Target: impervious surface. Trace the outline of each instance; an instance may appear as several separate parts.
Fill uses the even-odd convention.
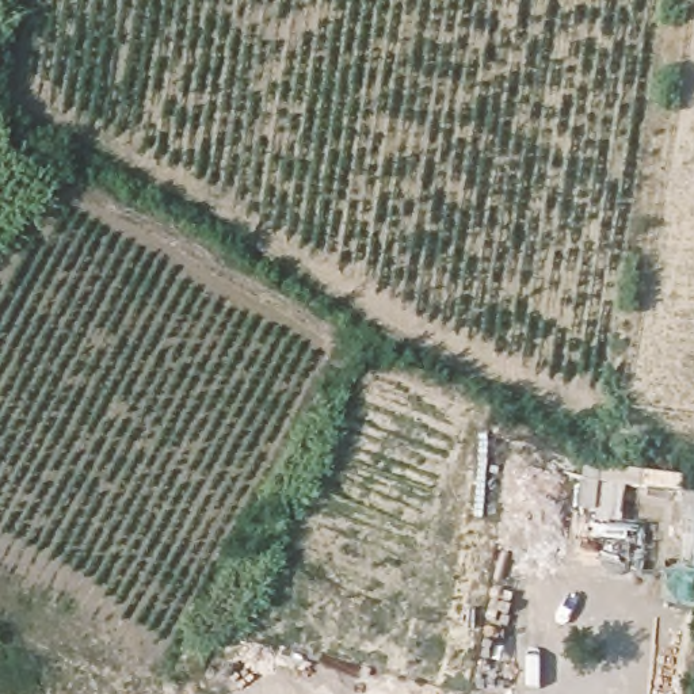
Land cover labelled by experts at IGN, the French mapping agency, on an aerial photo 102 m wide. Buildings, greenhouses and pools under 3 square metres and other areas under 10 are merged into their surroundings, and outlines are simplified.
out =
[[[548,474],[545,469],[529,469],[523,455],[510,455],[504,464],[504,512],[499,521],[499,558],[507,558],[507,553],[512,553],[515,558],[512,575],[518,577],[518,588],[526,596],[526,607],[521,610],[518,624],[523,629],[545,634],[545,648],[539,651],[539,659],[523,656],[523,678],[515,686],[504,689],[504,694],[694,694],[694,491],[683,488],[678,472],[642,466],[586,466],[577,483],[558,483],[558,474]],[[599,661],[591,670],[577,670],[567,656],[567,637],[572,629],[596,632],[605,624],[626,624],[632,640],[640,645],[640,653],[632,661]]]
[[[369,675],[369,670],[363,667],[358,675],[344,675],[323,664],[314,675],[306,675],[306,661],[298,653],[290,653],[279,653],[255,642],[228,645],[225,656],[217,659],[217,672],[206,672],[201,680],[176,686],[176,694],[436,694],[436,689],[431,686],[399,683],[388,675]]]

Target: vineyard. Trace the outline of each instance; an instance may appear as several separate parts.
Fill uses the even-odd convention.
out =
[[[222,537],[233,534],[230,523],[236,512],[244,512],[247,504],[260,504],[263,499],[268,499],[277,474],[282,474],[285,469],[285,461],[301,447],[304,431],[287,415],[301,415],[304,404],[312,399],[312,390],[323,382],[328,366],[347,366],[342,358],[333,355],[331,323],[314,317],[295,298],[277,293],[295,268],[314,277],[333,295],[350,295],[358,309],[366,312],[366,317],[385,325],[396,339],[415,336],[420,344],[428,347],[439,344],[450,355],[483,366],[491,380],[529,382],[548,401],[561,399],[567,409],[575,412],[575,420],[580,426],[594,431],[588,445],[572,458],[575,464],[586,466],[642,466],[640,450],[645,445],[648,428],[626,423],[626,404],[637,399],[637,393],[632,390],[629,366],[637,361],[640,352],[637,342],[642,339],[645,309],[656,306],[661,282],[656,271],[656,228],[664,228],[664,217],[645,217],[640,206],[632,201],[632,195],[640,192],[645,184],[645,174],[637,168],[640,130],[645,108],[664,106],[680,111],[691,106],[694,98],[694,62],[664,65],[653,57],[653,35],[659,27],[667,24],[661,14],[664,0],[0,0],[0,103],[5,106],[3,122],[8,127],[11,149],[16,155],[33,157],[38,165],[52,165],[54,179],[60,184],[52,201],[43,206],[43,211],[30,211],[24,228],[16,230],[8,247],[0,252],[0,531],[19,537],[24,545],[46,550],[52,553],[52,558],[60,558],[70,569],[92,577],[98,586],[103,586],[106,596],[122,605],[125,618],[163,637],[174,632],[187,602],[209,599],[211,583],[217,577],[214,550],[220,548]]]
[[[312,626],[320,634],[325,651],[331,651],[331,645],[363,648],[363,642],[382,634],[399,648],[407,648],[409,664],[420,664],[426,659],[420,651],[415,651],[415,637],[445,640],[450,634],[445,618],[455,594],[453,588],[466,575],[466,569],[458,564],[458,553],[474,550],[477,545],[466,542],[474,537],[474,529],[455,529],[450,542],[436,537],[439,502],[434,502],[434,485],[428,485],[428,480],[439,477],[439,488],[445,488],[450,474],[455,472],[461,447],[453,447],[447,453],[445,442],[453,442],[453,434],[466,434],[469,423],[464,407],[469,401],[453,385],[439,388],[434,382],[420,380],[415,371],[371,371],[366,374],[363,385],[350,382],[347,401],[342,409],[342,426],[331,447],[331,466],[325,474],[320,474],[320,491],[328,493],[331,502],[320,515],[309,518],[309,534],[304,539],[304,558],[320,564],[325,569],[325,577],[314,583],[295,575],[287,602],[282,607],[274,607],[268,615],[268,626],[274,629],[274,634],[282,634],[290,626],[301,626]]]

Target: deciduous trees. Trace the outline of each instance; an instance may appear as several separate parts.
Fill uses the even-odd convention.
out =
[[[640,450],[642,466],[678,472],[683,488],[694,491],[694,434],[675,434],[664,428],[656,415],[637,407],[637,399],[626,404],[626,423],[648,428],[645,445]]]
[[[442,661],[445,640],[415,637],[415,651],[420,651],[426,659]]]
[[[54,179],[52,165],[38,165],[33,157],[16,155],[11,149],[8,127],[3,122],[5,106],[0,103],[0,252],[8,247],[16,230],[24,228],[30,211],[43,211],[43,206],[52,201],[60,184]]]
[[[567,637],[567,656],[577,670],[591,670],[599,661],[596,632],[572,629]]]
[[[295,268],[277,293],[295,298],[314,317],[331,323],[333,355],[342,358],[347,366],[328,366],[323,382],[312,390],[312,399],[304,404],[301,415],[287,415],[304,431],[301,447],[285,461],[285,469],[282,474],[277,474],[268,499],[263,499],[260,504],[247,504],[244,512],[236,512],[230,523],[233,534],[222,537],[220,548],[214,550],[217,577],[211,583],[209,599],[187,602],[174,632],[163,637],[168,651],[160,661],[152,664],[152,672],[163,675],[168,683],[176,686],[201,680],[206,672],[217,672],[217,659],[225,656],[228,645],[255,642],[279,653],[290,653],[290,648],[301,640],[301,626],[290,626],[282,634],[274,634],[274,629],[268,626],[268,615],[274,607],[282,607],[287,602],[295,575],[314,583],[325,577],[325,569],[320,564],[304,558],[304,539],[309,534],[309,518],[320,515],[331,502],[328,493],[320,491],[320,474],[325,474],[331,466],[331,447],[342,426],[342,409],[347,401],[350,382],[363,385],[366,374],[371,371],[415,371],[420,380],[434,382],[439,388],[453,385],[469,401],[485,401],[491,407],[488,423],[526,426],[531,431],[529,442],[534,442],[537,450],[553,450],[572,458],[588,445],[594,431],[580,426],[575,420],[575,412],[567,409],[561,399],[548,401],[529,382],[491,380],[483,366],[450,355],[439,344],[428,347],[420,344],[415,336],[396,339],[385,325],[366,317],[366,312],[358,309],[350,295],[333,295],[314,277]]]
[[[24,634],[33,632],[33,599],[27,594],[19,594],[19,605],[8,615],[0,607],[0,694],[54,694],[62,678],[62,667],[54,664],[46,653],[38,653],[35,648],[24,645]]]

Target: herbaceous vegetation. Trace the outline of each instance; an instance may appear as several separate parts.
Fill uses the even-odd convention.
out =
[[[62,667],[62,678],[54,694],[176,694],[176,686],[168,683],[163,675],[152,672],[152,664],[160,661],[168,651],[163,637],[125,618],[122,605],[106,596],[103,586],[98,586],[92,577],[70,569],[60,558],[52,558],[52,553],[46,550],[24,545],[19,537],[0,531],[0,607],[8,615],[19,605],[19,594],[27,594],[33,599],[33,632],[24,634],[24,645],[35,648],[38,653],[46,653],[54,664]]]
[[[515,686],[523,678],[523,656],[539,659],[539,651],[545,648],[545,634],[523,629],[518,624],[521,610],[526,607],[526,596],[518,588],[518,577],[512,575],[515,558],[512,553],[507,553],[507,558],[499,558],[499,521],[504,512],[504,464],[510,455],[523,455],[529,469],[545,469],[548,474],[558,474],[558,483],[577,483],[586,466],[575,464],[572,458],[553,450],[537,450],[534,442],[529,442],[531,431],[526,426],[488,423],[491,407],[485,401],[469,401],[464,407],[469,423],[466,434],[453,434],[453,442],[445,442],[447,453],[453,447],[461,447],[455,472],[450,474],[445,488],[439,488],[439,477],[428,480],[428,485],[434,485],[434,502],[439,502],[436,537],[450,542],[455,529],[474,529],[474,537],[466,542],[477,545],[474,550],[458,553],[458,564],[466,569],[466,575],[453,588],[455,594],[445,618],[450,634],[445,640],[442,661],[426,659],[420,664],[409,664],[407,648],[399,648],[382,634],[363,642],[363,648],[331,645],[331,651],[325,651],[320,634],[312,626],[301,626],[301,640],[290,648],[290,653],[298,653],[306,661],[306,675],[314,675],[323,664],[344,675],[358,675],[363,667],[369,670],[369,675],[388,675],[399,683],[431,686],[436,689],[436,694],[504,694],[504,689]]]
[[[661,14],[667,24],[680,27],[694,19],[694,0],[664,0]]]

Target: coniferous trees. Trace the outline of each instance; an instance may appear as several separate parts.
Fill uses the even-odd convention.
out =
[[[599,661],[632,661],[640,653],[640,645],[632,640],[626,624],[605,624],[596,632]]]

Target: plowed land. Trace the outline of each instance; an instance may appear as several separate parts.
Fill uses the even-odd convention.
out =
[[[661,282],[656,306],[645,309],[642,339],[637,342],[640,352],[637,361],[629,366],[632,390],[637,393],[637,399],[637,407],[656,415],[664,428],[675,434],[694,434],[694,98],[691,106],[680,111],[664,106],[645,108],[640,130],[637,168],[645,174],[645,184],[640,192],[632,195],[632,201],[640,206],[645,217],[664,217],[664,228],[656,228],[656,271]]]
[[[680,27],[667,24],[659,27],[653,35],[653,57],[664,65],[694,62],[694,19]]]

